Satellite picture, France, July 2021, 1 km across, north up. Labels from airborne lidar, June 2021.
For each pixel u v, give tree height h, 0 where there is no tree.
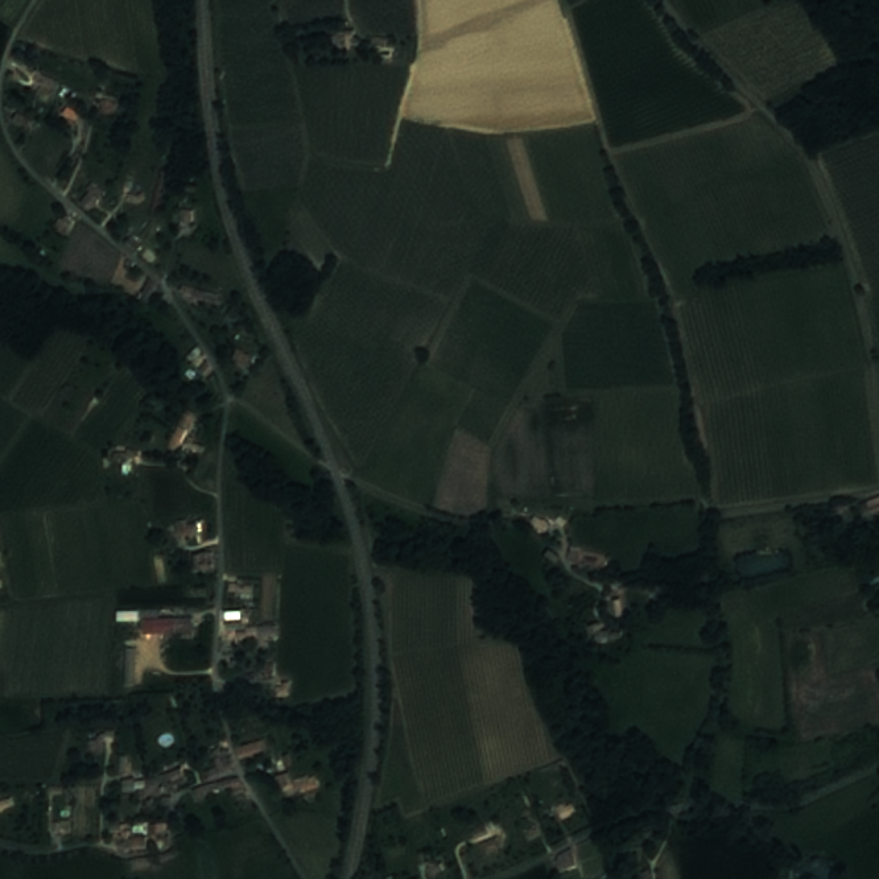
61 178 8
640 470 0
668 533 0
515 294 0
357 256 0
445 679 0
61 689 0
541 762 0
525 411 0
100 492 0
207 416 10
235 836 0
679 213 0
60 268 0
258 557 0
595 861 0
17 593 0
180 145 28
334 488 15
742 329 0
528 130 0
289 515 10
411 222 0
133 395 0
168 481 0
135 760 0
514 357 0
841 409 0
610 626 7
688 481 0
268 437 0
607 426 0
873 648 0
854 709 0
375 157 0
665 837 8
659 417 0
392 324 0
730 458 0
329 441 0
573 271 0
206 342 0
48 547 0
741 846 12
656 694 0
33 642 0
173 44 6
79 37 0
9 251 0
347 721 15
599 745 12
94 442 0
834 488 0
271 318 0
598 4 0
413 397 0
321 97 0
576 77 0
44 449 0
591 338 0
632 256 0
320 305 0
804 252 16
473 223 0
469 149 0
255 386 0
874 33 32
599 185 0
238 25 0
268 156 0
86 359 10
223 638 0
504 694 0
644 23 0
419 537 13
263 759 11
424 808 0
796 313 0
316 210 0
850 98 18
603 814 14
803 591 0
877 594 7
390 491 0
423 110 0
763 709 0
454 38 0
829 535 26
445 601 0
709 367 0
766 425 0
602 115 0
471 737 0
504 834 0
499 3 0
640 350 0
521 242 0
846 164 0
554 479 0
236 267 0
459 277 0
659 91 0
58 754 0
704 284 15
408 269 0
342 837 11
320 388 0
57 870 0
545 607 14
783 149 0
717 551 9
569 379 0
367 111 0
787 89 0
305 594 0
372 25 0
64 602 0
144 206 0
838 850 0
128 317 15
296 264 21
